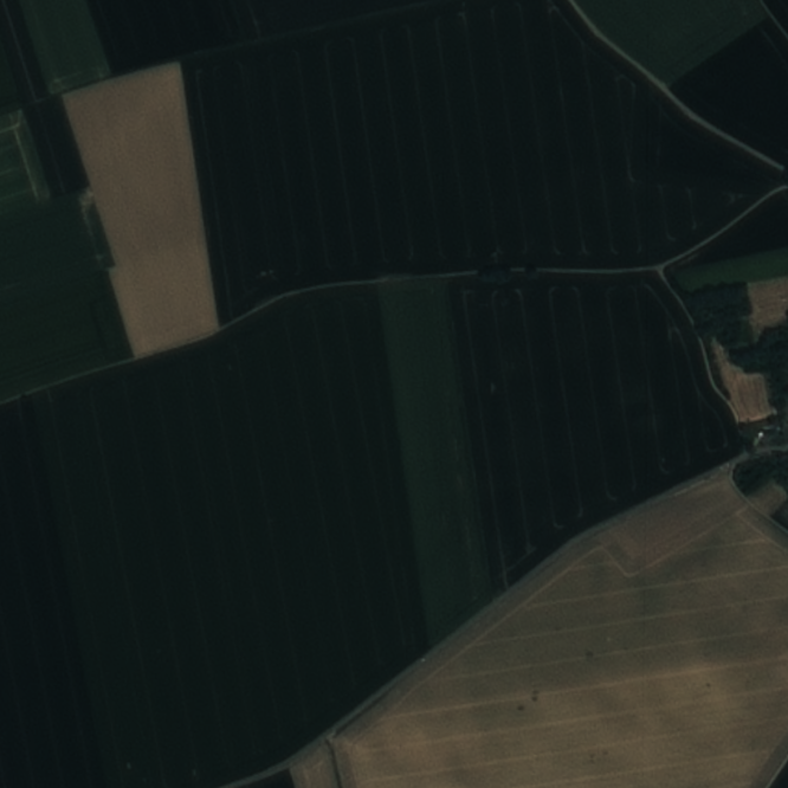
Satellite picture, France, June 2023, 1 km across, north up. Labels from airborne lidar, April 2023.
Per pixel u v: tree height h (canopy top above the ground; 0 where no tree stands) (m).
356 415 0
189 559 0
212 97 0
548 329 0
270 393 0
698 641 0
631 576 0
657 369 0
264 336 0
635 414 0
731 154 0
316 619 0
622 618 0
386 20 0
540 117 0
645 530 0
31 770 0
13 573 0
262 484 0
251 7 0
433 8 0
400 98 0
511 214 0
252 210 0
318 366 0
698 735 0
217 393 0
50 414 0
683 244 0
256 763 0
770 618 0
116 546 0
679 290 10
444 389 0
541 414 0
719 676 0
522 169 0
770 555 0
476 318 0
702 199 0
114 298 0
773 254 0
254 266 0
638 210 0
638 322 0
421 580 0
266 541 0
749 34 0
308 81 0
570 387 0
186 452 0
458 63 0
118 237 0
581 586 0
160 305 0
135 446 0
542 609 0
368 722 0
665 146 0
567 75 0
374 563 0
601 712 0
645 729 0
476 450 0
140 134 0
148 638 0
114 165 0
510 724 0
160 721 0
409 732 0
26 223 0
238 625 0
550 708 0
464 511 0
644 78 0
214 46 0
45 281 0
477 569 0
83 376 0
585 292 0
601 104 0
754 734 0
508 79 0
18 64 0
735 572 0
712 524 0
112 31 0
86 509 0
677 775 0
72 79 0
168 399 0
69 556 0
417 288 0
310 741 0
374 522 0
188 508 0
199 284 0
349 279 0
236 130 0
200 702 0
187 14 0
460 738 0
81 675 0
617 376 0
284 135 0
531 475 0
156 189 0
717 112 0
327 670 0
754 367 9
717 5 0
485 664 0
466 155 0
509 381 0
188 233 0
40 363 0
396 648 0
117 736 0
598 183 0
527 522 0
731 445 0
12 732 0
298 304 0
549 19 0
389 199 0
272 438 0
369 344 0
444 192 0
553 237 0
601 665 0
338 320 0
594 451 0
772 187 0
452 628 0
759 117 0
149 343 0
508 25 0
